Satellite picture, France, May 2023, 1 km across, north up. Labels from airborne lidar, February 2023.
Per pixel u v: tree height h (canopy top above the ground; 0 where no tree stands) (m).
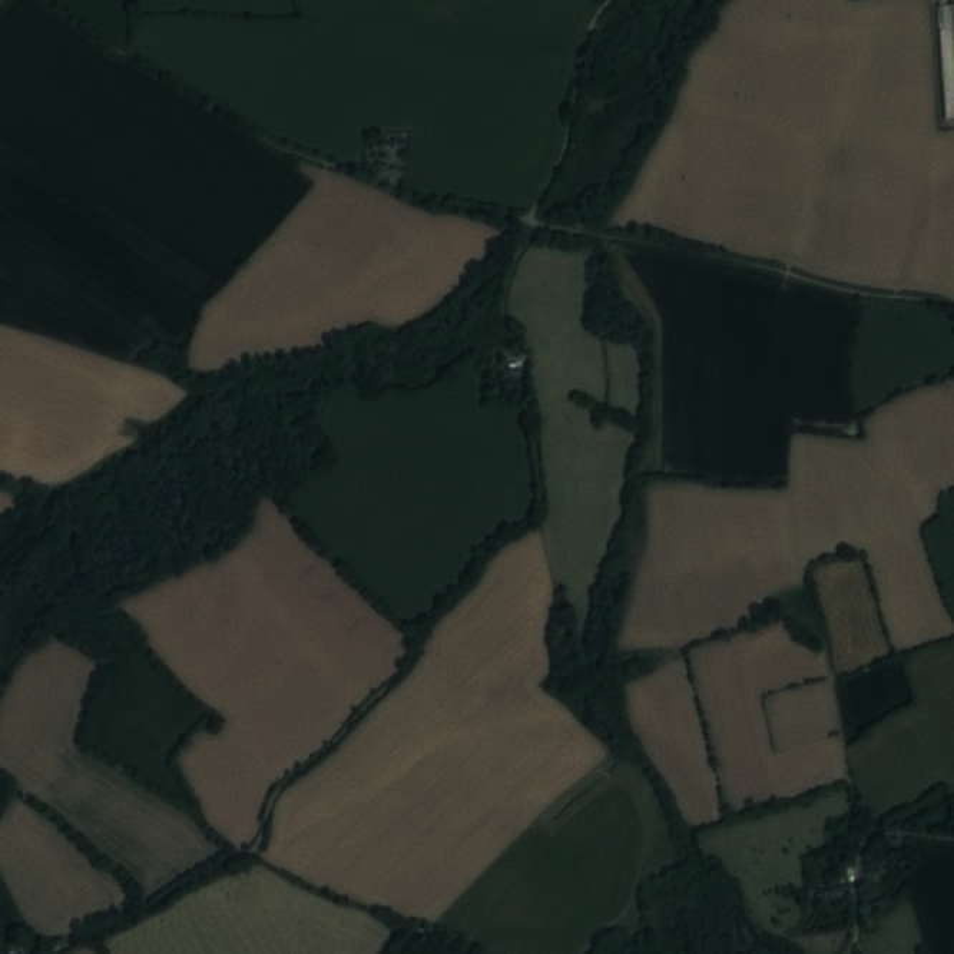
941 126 0
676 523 0
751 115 0
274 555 0
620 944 7
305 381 7
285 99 0
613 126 0
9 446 0
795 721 0
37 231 0
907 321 0
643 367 10
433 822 0
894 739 0
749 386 0
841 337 0
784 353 0
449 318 7
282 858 0
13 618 0
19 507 10
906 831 11
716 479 0
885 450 0
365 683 0
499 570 0
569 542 0
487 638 0
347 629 0
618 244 0
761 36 0
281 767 0
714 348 0
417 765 0
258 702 0
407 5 0
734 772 0
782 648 0
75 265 0
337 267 0
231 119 13
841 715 0
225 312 0
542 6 0
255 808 0
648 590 0
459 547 0
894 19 0
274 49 0
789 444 0
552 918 0
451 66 0
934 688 0
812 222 0
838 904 6
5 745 0
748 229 0
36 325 0
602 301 28
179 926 0
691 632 0
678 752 0
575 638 16
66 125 0
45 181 0
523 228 13
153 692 0
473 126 0
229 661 0
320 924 0
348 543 0
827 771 0
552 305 0
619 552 12
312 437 19
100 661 21
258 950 0
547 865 0
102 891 0
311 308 0
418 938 12
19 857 0
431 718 0
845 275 0
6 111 0
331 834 0
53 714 0
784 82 0
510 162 0
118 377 0
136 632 17
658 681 0
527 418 16
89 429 0
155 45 0
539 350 0
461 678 0
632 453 10
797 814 0
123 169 0
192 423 14
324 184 0
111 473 11
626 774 0
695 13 19
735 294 0
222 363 0
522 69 0
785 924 0
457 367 11
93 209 0
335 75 0
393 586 0
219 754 0
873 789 0
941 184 0
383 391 10
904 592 0
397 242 0
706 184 0
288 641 0
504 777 0
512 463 0
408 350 8
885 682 0
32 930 8
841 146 0
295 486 17
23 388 0
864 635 0
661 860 0
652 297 0
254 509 12
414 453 0
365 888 0
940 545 0
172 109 0
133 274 0
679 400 0
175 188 0
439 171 0
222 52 0
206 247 0
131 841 0
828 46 0
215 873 9
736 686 0
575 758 0
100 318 0
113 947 0
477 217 14
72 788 0
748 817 8
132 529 16
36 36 0
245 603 0
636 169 8
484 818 0
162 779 0
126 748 0
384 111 0
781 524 0
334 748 10
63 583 0
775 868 0
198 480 20
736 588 0
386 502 0
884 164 0
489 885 0
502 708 0
